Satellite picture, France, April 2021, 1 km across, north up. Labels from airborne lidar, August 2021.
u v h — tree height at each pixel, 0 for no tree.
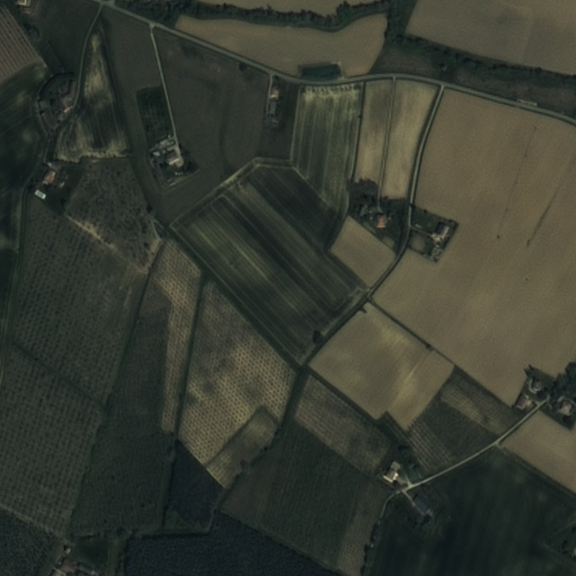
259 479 0
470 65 13
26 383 10
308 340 0
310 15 14
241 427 0
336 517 8
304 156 0
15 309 0
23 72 0
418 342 0
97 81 0
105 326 0
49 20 0
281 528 8
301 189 0
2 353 0
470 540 0
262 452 9
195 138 0
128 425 11
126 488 10
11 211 0
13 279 0
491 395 0
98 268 0
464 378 0
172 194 0
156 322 11
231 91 0
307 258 0
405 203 10
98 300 0
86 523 9
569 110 0
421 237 0
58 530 11
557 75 7
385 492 0
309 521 8
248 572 9
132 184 0
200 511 8
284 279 0
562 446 0
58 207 0
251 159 0
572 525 0
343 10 16
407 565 0
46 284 7
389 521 0
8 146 0
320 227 0
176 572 16
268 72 0
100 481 11
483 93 0
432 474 0
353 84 0
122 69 0
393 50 0
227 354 13
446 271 0
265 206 0
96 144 0
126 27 0
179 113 0
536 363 0
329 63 0
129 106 0
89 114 0
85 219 9
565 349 0
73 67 0
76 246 7
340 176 0
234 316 13
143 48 0
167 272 16
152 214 18
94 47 0
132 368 8
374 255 0
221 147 0
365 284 0
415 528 9
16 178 0
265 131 0
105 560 0
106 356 8
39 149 0
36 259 7
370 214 7
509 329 0
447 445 7
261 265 0
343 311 0
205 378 13
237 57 0
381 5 10
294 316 0
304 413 13
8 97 0
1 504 9
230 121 0
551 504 0
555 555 0
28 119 0
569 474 0
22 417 8
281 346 0
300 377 0
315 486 9
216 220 0
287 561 13
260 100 0
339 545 8
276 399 12
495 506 0
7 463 11
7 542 10
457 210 0
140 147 0
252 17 19
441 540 0
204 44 0
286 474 10
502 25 0
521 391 0
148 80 0
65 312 6
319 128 0
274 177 0
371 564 14
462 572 0
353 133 0
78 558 0
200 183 0
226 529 10
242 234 0
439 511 0
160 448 14
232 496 0
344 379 0
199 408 12
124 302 8
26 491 10
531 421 0
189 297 16
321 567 10
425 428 11
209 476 7
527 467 0
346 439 14
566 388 11
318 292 0
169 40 0
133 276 0
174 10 12
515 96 0
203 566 15
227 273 0
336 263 0
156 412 14
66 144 0
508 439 0
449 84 0
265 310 0
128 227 10
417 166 0
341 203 0
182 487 11
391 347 0
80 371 8
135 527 13
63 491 10
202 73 0
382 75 0
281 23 18
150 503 14
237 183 0
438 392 0
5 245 0
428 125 0
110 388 11
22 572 9
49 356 7
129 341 0
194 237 0
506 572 0
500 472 0
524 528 0
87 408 9
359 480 8
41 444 9
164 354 13
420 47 13
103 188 10
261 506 0
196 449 12
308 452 8
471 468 0
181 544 16
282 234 0
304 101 0
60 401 10
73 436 10
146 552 15
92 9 0
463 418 7
